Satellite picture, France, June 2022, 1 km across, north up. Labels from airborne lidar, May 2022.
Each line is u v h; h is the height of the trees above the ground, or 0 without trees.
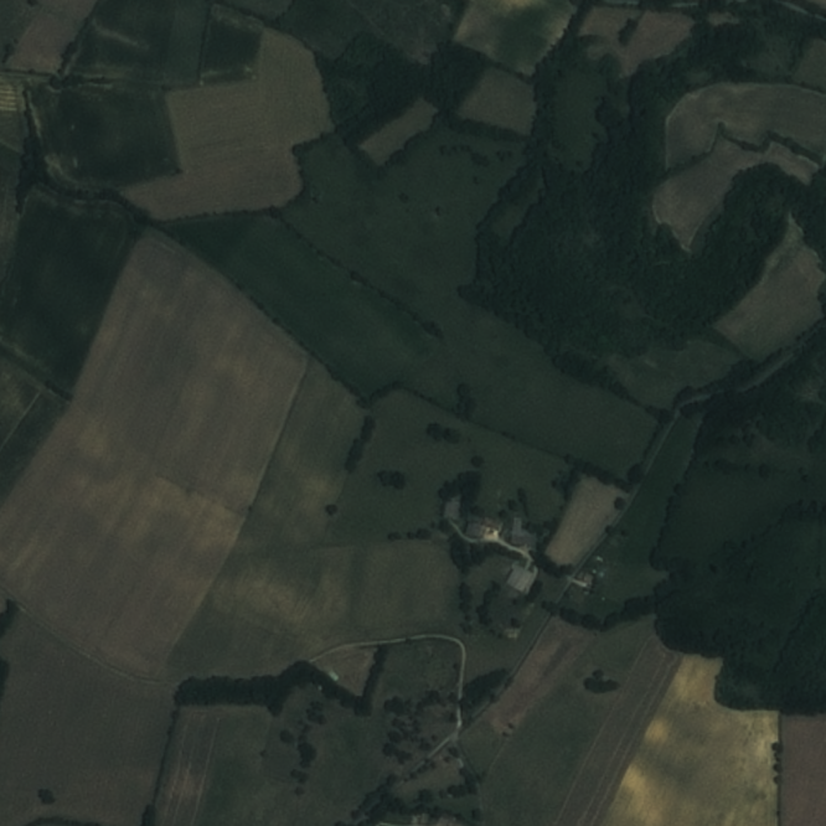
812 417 6
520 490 7
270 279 0
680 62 9
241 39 0
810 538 0
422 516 0
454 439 16
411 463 0
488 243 17
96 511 0
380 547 0
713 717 0
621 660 0
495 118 0
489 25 0
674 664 0
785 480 0
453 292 0
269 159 0
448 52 12
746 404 15
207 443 0
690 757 0
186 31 0
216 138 0
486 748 0
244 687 16
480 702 10
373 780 0
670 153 0
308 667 17
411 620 0
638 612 20
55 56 0
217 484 0
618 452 0
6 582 0
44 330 0
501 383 0
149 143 0
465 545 14
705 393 13
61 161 0
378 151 0
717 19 0
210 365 0
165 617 0
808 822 0
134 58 0
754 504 0
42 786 0
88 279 0
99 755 0
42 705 0
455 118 15
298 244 0
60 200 0
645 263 12
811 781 0
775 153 0
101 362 0
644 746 0
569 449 0
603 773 0
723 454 0
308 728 11
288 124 0
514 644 0
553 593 0
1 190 0
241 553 0
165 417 0
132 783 0
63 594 0
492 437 0
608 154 14
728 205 12
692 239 0
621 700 0
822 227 8
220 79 0
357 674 0
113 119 0
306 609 0
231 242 0
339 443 0
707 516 0
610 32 0
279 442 0
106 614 0
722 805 0
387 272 0
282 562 0
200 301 0
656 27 0
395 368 0
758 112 0
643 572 0
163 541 0
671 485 0
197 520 0
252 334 0
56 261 0
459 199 0
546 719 0
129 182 0
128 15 0
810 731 0
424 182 0
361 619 0
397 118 14
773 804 0
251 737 0
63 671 0
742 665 12
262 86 0
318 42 0
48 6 0
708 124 0
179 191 0
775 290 0
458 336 0
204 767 0
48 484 0
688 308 10
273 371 0
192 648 0
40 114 0
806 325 0
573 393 0
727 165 0
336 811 0
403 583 0
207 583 0
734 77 14
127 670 0
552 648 0
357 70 9
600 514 0
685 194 0
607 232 11
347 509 0
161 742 0
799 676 10
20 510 0
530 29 0
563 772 0
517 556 12
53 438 0
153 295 0
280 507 0
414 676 0
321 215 0
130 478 0
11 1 0
